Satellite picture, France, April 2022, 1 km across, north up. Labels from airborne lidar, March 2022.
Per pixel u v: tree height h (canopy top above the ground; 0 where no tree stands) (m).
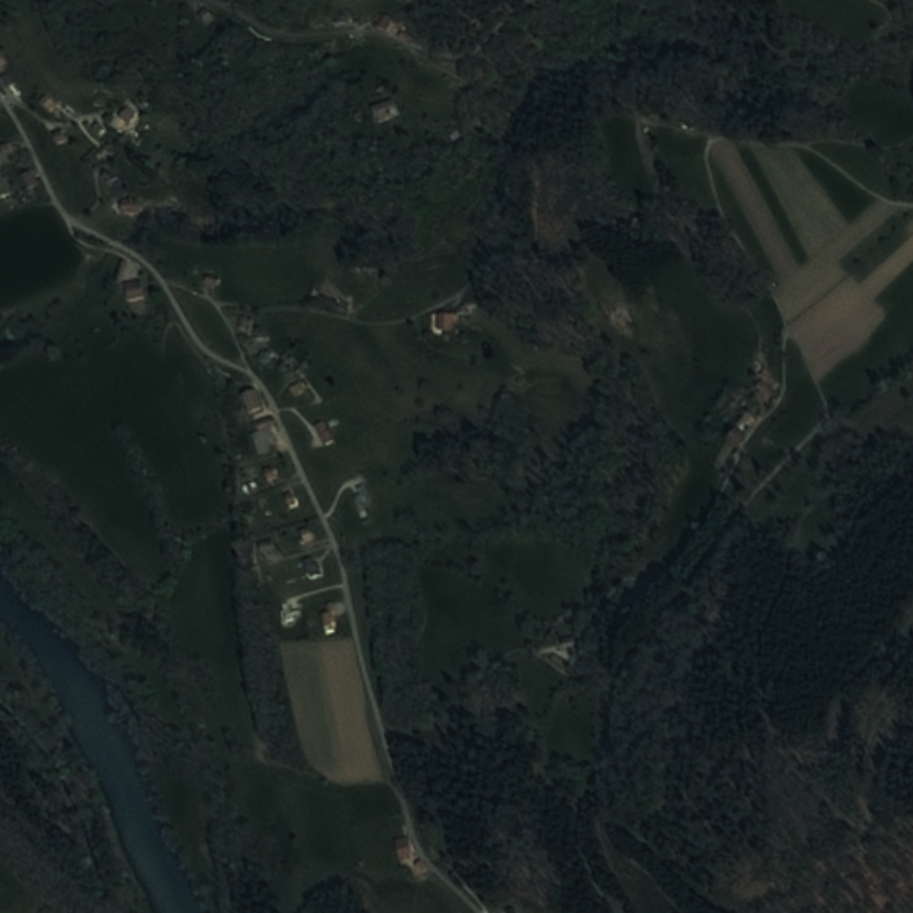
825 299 0
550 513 24
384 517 0
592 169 21
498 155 28
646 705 31
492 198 24
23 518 0
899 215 0
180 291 0
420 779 24
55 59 0
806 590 24
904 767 29
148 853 0
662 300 0
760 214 0
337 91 32
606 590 12
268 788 0
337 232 0
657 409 19
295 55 12
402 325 0
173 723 0
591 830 21
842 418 20
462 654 0
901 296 0
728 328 0
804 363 0
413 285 0
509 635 0
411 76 0
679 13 29
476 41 16
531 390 0
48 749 29
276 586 0
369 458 0
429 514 0
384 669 18
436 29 21
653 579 0
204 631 0
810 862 31
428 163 17
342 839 0
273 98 23
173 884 0
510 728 25
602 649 17
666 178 10
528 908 7
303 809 0
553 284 24
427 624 22
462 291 0
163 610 19
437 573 0
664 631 28
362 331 0
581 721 0
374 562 22
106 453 0
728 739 30
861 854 25
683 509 0
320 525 0
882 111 0
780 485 0
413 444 0
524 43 38
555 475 26
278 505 0
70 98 0
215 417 0
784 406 0
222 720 0
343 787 0
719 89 19
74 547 25
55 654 0
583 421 0
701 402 0
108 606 0
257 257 0
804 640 22
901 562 28
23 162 15
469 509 0
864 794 29
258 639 22
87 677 0
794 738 23
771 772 28
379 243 23
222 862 23
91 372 0
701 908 29
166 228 25
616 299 0
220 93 13
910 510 22
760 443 0
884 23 0
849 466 11
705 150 0
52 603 22
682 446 20
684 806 27
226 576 0
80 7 23
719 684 25
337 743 0
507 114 30
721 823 33
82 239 8
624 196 16
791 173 0
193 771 22
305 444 0
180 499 0
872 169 0
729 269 24
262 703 26
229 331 0
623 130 0
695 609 19
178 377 0
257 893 21
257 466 0
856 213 0
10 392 0
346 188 25
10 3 14
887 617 30
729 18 33
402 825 0
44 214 0
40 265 0
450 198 20
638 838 21
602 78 26
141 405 0
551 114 31
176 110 9
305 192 35
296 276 0
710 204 0
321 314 17
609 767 29
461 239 0
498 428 17
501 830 22
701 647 27
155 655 18
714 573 23
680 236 30
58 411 0
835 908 22
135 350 0
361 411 0
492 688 15
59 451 0
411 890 0
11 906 0
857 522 21
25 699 24
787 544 20
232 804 18
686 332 0
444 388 0
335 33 0
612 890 16
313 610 0
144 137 7
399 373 0
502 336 0
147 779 8
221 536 0
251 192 32
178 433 0
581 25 31
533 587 0
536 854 21
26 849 27
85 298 0
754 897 0
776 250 0
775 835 28
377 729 0
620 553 17
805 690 27
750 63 26
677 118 19
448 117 0
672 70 26
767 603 23
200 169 27
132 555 0
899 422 0
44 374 0
